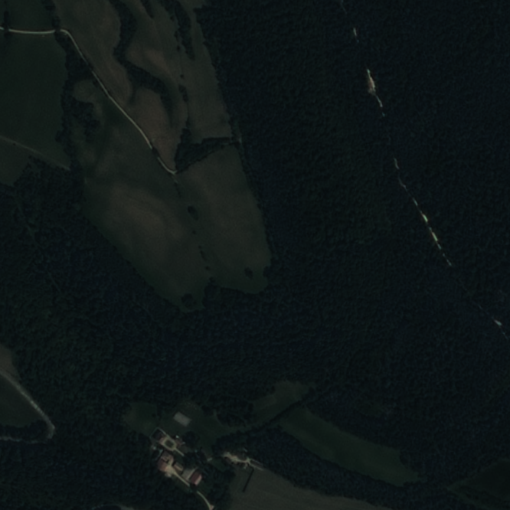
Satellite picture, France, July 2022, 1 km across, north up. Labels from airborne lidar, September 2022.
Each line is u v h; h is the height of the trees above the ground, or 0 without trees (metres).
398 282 19
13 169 0
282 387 0
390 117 25
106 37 0
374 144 17
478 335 27
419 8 22
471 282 26
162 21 0
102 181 0
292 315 25
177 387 31
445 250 18
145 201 0
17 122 0
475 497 7
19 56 0
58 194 9
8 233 34
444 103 25
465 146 19
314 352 31
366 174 14
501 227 24
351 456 0
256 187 6
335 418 21
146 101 0
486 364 20
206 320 25
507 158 22
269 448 23
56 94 0
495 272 22
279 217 24
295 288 17
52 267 30
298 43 20
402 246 17
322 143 20
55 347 19
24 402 0
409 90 15
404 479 0
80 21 0
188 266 0
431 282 28
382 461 0
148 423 0
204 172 0
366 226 26
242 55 17
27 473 29
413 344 20
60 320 26
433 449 11
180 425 0
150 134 0
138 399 21
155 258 0
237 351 32
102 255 19
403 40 28
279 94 19
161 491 25
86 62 12
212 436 0
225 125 0
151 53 0
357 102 18
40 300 27
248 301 25
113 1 14
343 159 16
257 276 0
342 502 0
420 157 18
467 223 21
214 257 0
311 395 18
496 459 16
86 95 0
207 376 24
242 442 15
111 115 0
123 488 31
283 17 20
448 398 21
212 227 0
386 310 14
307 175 21
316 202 14
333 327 23
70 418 18
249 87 16
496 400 6
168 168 0
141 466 18
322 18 11
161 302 16
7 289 23
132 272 16
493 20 12
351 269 23
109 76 0
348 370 13
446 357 23
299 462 19
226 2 16
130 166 0
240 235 0
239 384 17
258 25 15
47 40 0
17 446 26
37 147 0
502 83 19
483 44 20
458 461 21
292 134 23
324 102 8
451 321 26
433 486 18
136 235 0
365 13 24
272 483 0
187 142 12
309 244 16
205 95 0
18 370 7
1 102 0
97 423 18
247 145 21
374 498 23
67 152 16
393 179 22
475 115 26
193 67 0
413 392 25
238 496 0
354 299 19
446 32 20
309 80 19
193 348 38
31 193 23
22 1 0
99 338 27
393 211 14
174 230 0
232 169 0
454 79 15
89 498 26
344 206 20
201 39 0
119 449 17
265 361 27
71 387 20
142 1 14
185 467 6
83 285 28
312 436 0
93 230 18
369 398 22
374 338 11
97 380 10
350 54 18
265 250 0
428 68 19
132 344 31
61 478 27
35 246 22
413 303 19
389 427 17
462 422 19
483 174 16
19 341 28
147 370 32
